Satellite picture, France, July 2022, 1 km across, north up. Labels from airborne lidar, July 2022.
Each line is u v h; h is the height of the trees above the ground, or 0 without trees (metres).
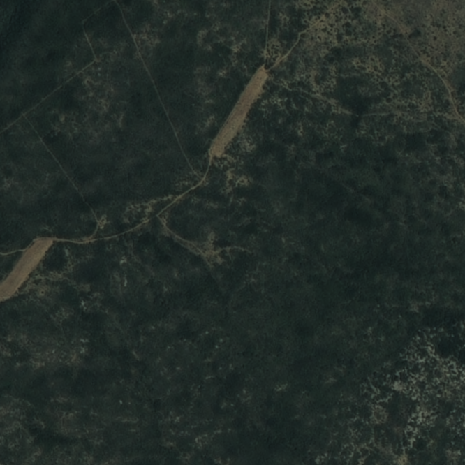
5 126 7
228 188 0
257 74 0
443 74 0
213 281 5
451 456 0
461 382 0
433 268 6
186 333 6
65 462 0
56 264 6
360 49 0
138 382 6
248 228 6
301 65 0
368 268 6
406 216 6
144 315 6
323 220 5
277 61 0
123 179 6
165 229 0
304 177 6
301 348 6
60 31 6
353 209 5
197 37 0
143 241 5
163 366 0
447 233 6
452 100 0
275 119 6
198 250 0
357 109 5
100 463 0
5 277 0
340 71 6
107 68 0
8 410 0
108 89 0
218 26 0
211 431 0
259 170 6
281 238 0
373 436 0
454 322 9
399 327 5
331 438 0
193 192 6
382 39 0
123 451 6
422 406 0
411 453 6
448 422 0
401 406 0
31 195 0
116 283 0
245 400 0
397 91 0
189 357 0
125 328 0
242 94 0
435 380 0
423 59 0
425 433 5
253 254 6
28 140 0
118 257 0
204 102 0
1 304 6
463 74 0
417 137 7
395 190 5
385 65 0
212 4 0
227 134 0
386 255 5
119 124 0
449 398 0
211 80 6
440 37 0
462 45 0
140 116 6
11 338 0
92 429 0
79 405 0
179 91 0
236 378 5
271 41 0
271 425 7
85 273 6
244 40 0
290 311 6
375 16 0
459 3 0
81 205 6
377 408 0
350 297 6
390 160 6
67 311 0
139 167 6
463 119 0
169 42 0
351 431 0
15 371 0
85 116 6
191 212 0
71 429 0
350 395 0
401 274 6
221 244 6
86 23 6
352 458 0
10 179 0
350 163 6
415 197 0
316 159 5
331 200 6
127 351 6
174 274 0
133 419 0
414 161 0
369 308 5
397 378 6
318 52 0
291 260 6
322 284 6
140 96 6
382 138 6
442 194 6
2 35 6
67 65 0
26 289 0
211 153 0
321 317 6
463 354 8
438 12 0
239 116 0
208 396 0
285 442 6
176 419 0
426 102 0
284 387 0
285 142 7
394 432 0
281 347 6
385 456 0
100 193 6
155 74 0
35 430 8
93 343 6
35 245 0
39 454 0
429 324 6
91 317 6
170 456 6
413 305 0
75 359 0
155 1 0
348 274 6
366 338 5
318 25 0
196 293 5
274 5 0
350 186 6
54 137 5
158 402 6
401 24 0
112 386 0
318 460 0
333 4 0
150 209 0
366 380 6
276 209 0
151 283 6
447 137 0
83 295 6
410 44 0
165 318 6
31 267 0
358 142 6
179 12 0
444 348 6
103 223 0
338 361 5
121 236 5
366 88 0
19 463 0
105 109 0
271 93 5
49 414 0
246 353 7
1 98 0
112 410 0
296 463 0
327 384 0
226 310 6
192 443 0
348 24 5
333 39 0
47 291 0
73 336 0
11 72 0
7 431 0
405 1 0
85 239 0
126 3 6
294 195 0
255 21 0
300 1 0
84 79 0
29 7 6
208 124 0
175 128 0
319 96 0
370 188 6
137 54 0
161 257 6
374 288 6
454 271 6
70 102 6
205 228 0
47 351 0
